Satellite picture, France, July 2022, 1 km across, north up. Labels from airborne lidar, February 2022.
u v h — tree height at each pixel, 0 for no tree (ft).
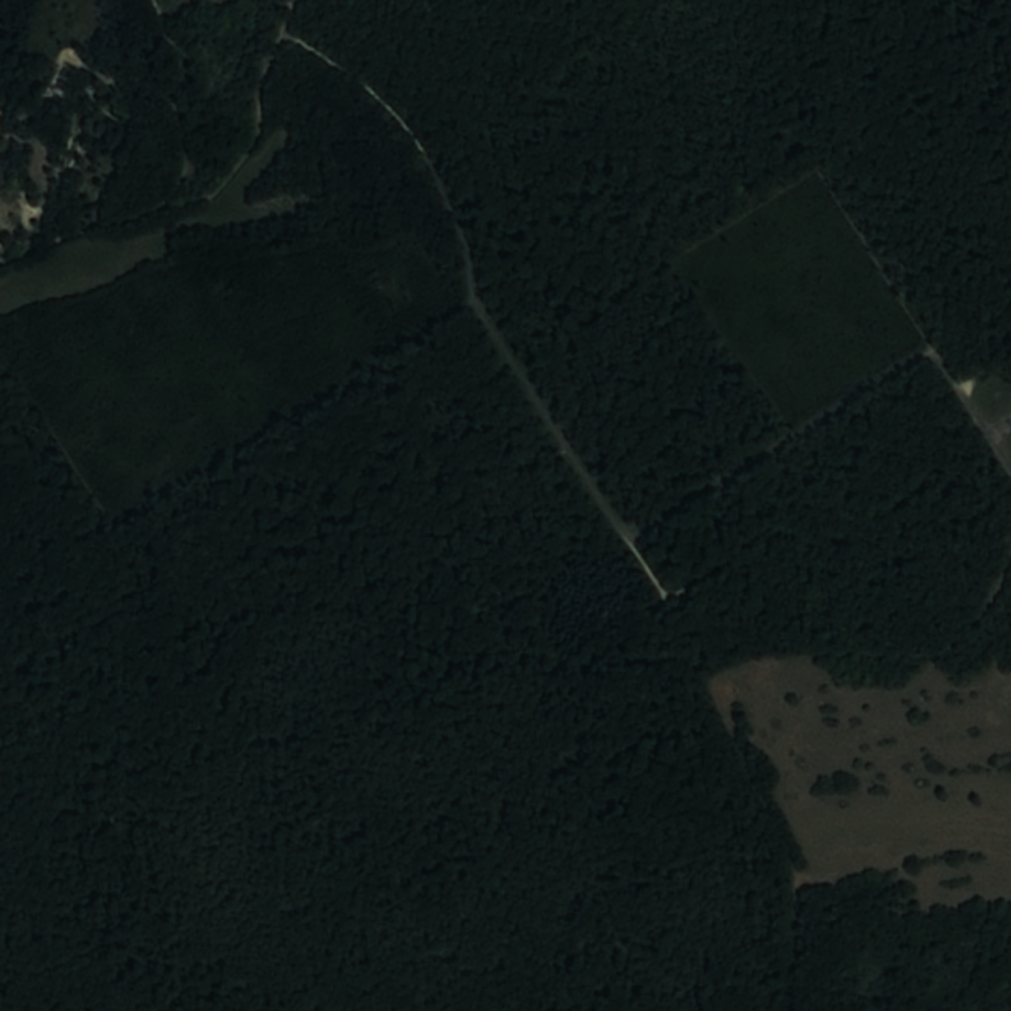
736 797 66
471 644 77
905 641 48
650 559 73
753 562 59
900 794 0
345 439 82
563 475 65
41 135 62
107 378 0
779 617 55
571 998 59
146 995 61
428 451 76
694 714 57
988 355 47
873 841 0
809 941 47
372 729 56
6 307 0
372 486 72
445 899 59
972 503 48
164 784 57
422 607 69
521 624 65
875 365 0
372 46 53
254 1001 66
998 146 62
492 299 71
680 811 71
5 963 63
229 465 73
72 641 34
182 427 0
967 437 52
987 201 52
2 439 82
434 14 46
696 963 56
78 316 0
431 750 56
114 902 67
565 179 67
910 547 56
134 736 68
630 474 69
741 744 20
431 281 0
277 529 59
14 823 60
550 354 75
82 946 68
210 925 49
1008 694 0
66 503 68
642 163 62
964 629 49
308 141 63
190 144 54
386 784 52
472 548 72
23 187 31
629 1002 59
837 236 0
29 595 66
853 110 47
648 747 84
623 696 64
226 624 64
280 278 0
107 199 45
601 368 49
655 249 64
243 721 69
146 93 72
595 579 72
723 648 51
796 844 31
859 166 62
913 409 56
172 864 47
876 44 55
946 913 37
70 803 61
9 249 47
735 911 56
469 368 69
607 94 51
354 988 59
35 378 0
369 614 82
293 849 56
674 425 64
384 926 57
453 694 79
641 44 43
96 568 67
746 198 55
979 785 0
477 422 69
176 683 55
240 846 44
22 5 49
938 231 62
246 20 23
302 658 57
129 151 55
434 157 25
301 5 33
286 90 46
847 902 27
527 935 45
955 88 62
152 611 69
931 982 26
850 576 49
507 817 58
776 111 60
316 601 58
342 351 0
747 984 62
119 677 67
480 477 59
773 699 0
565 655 64
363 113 55
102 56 79
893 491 54
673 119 55
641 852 80
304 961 56
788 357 0
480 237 81
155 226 51
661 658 53
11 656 68
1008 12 59
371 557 70
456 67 57
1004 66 51
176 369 0
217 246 34
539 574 72
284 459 73
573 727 61
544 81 58
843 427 57
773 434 59
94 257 0
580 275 78
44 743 56
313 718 58
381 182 65
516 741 50
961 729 0
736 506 54
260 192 47
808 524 64
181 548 70
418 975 61
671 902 51
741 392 58
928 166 55
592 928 61
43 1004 62
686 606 59
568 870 57
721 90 44
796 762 0
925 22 60
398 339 19
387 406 68
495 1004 59
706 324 74
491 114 52
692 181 55
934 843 0
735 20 36
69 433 0
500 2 44
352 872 65
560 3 43
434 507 76
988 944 40
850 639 46
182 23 34
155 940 34
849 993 21
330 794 56
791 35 55
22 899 59
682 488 71
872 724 0
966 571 51
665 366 66
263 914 47
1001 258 57
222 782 48
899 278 70
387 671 72
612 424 69
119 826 62
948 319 46
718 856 40
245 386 0
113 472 0
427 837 57
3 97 67
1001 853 0
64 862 67
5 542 72
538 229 75
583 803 66
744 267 0
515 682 54
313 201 51
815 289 0
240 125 44
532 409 61
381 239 79
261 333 0
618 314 62
